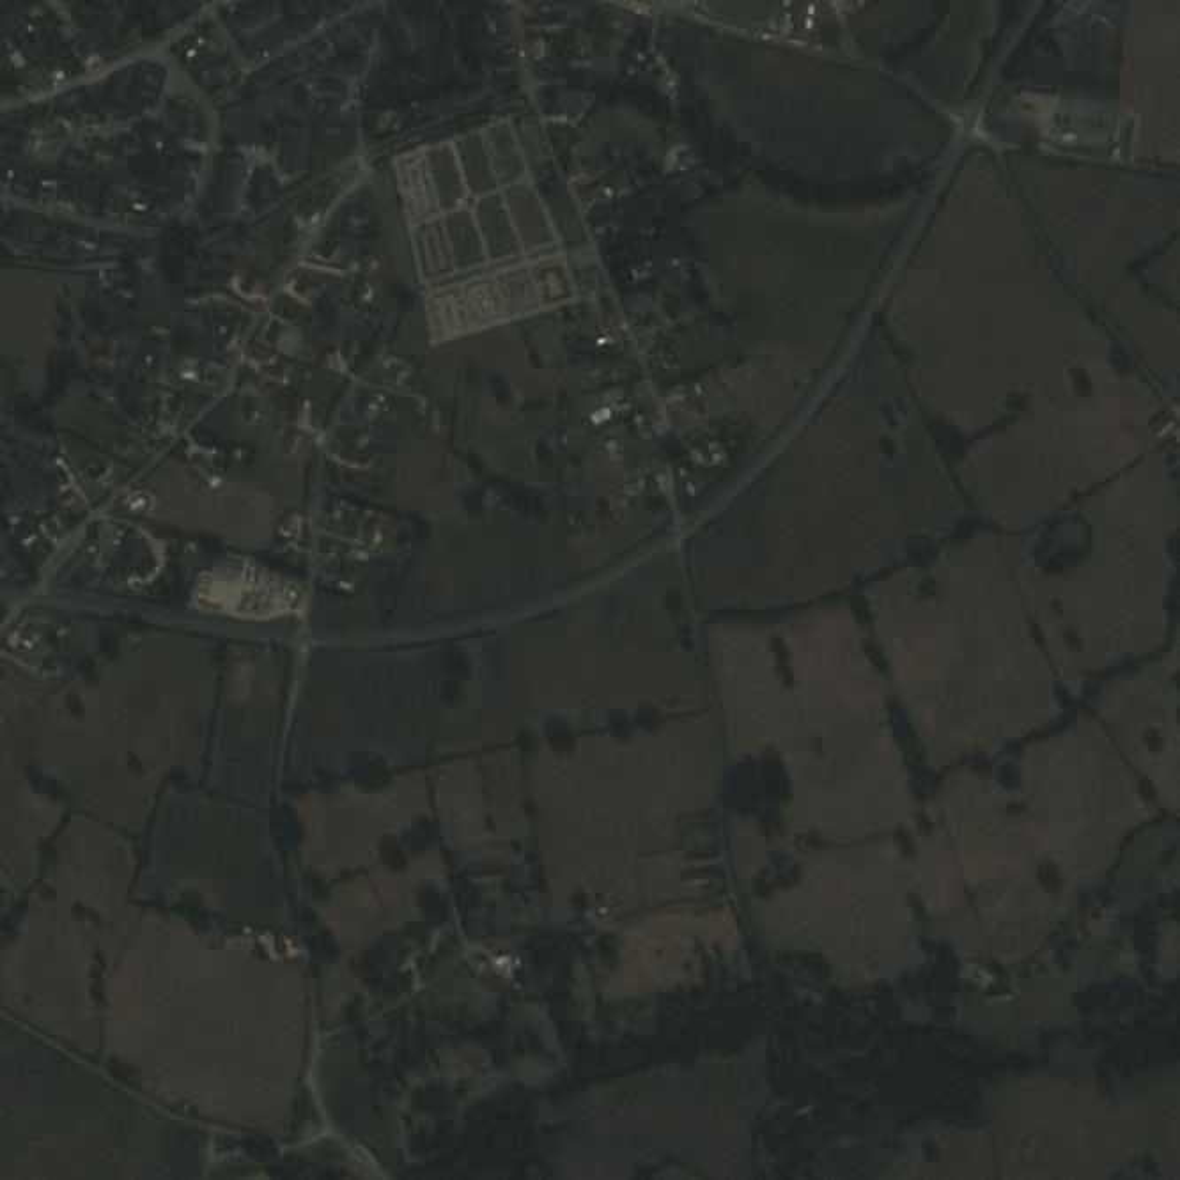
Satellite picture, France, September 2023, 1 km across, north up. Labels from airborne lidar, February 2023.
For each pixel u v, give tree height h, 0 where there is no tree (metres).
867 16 0
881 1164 0
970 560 0
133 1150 0
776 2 0
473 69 18
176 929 0
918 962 0
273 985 0
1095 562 0
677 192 0
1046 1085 0
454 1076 0
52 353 0
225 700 0
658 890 0
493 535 0
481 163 0
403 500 0
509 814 0
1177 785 0
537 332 0
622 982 0
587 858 0
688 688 0
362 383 0
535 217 0
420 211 0
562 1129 0
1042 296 0
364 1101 0
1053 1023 0
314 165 0
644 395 0
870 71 0
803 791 0
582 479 0
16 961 0
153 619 0
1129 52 0
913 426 0
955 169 0
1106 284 0
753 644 0
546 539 0
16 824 0
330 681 0
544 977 0
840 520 0
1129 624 0
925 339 0
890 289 0
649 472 0
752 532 0
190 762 0
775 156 0
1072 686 0
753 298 0
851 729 0
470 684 0
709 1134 0
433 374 0
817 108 0
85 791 0
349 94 0
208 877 0
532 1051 17
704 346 0
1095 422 0
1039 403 0
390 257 0
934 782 12
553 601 0
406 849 14
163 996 0
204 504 0
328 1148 0
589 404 0
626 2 0
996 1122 0
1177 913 16
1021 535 0
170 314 0
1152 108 0
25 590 0
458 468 0
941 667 0
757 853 0
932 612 0
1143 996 21
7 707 0
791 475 0
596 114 0
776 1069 8
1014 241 0
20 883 0
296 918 10
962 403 0
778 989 17
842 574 0
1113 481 0
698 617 0
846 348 0
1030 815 0
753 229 0
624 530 0
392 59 25
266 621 0
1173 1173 0
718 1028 24
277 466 0
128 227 0
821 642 0
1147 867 0
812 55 0
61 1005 0
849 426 0
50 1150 0
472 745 0
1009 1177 0
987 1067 16
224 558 0
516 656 0
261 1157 10
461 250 0
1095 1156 0
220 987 0
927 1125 0
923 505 0
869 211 0
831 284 0
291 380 0
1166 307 6
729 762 0
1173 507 0
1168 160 0
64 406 0
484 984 0
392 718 0
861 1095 9
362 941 0
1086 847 0
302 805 0
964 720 0
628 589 0
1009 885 0
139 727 0
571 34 6
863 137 0
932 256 0
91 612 0
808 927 0
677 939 0
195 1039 0
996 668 0
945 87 0
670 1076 0
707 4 0
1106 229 0
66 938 0
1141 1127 0
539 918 0
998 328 0
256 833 0
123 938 0
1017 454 0
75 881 0
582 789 0
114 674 0
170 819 0
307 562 0
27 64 7
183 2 0
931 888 0
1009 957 0
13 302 0
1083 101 0
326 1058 0
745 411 0
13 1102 0
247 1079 0
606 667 0
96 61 0
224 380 0
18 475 0
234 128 0
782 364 0
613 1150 0
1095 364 0
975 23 0
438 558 0
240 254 0
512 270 0
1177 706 0
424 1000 0
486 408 0
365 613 0
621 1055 18
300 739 0
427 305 0
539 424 0
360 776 23
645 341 0
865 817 0
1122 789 0
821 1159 0
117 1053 0
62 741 0
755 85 0
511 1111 21
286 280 0
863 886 0
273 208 0
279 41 0
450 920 0
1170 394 0
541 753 0
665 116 16
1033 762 0
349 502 9
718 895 5
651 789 0
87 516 0
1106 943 0
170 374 0
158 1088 0
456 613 0
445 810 0
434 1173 15
